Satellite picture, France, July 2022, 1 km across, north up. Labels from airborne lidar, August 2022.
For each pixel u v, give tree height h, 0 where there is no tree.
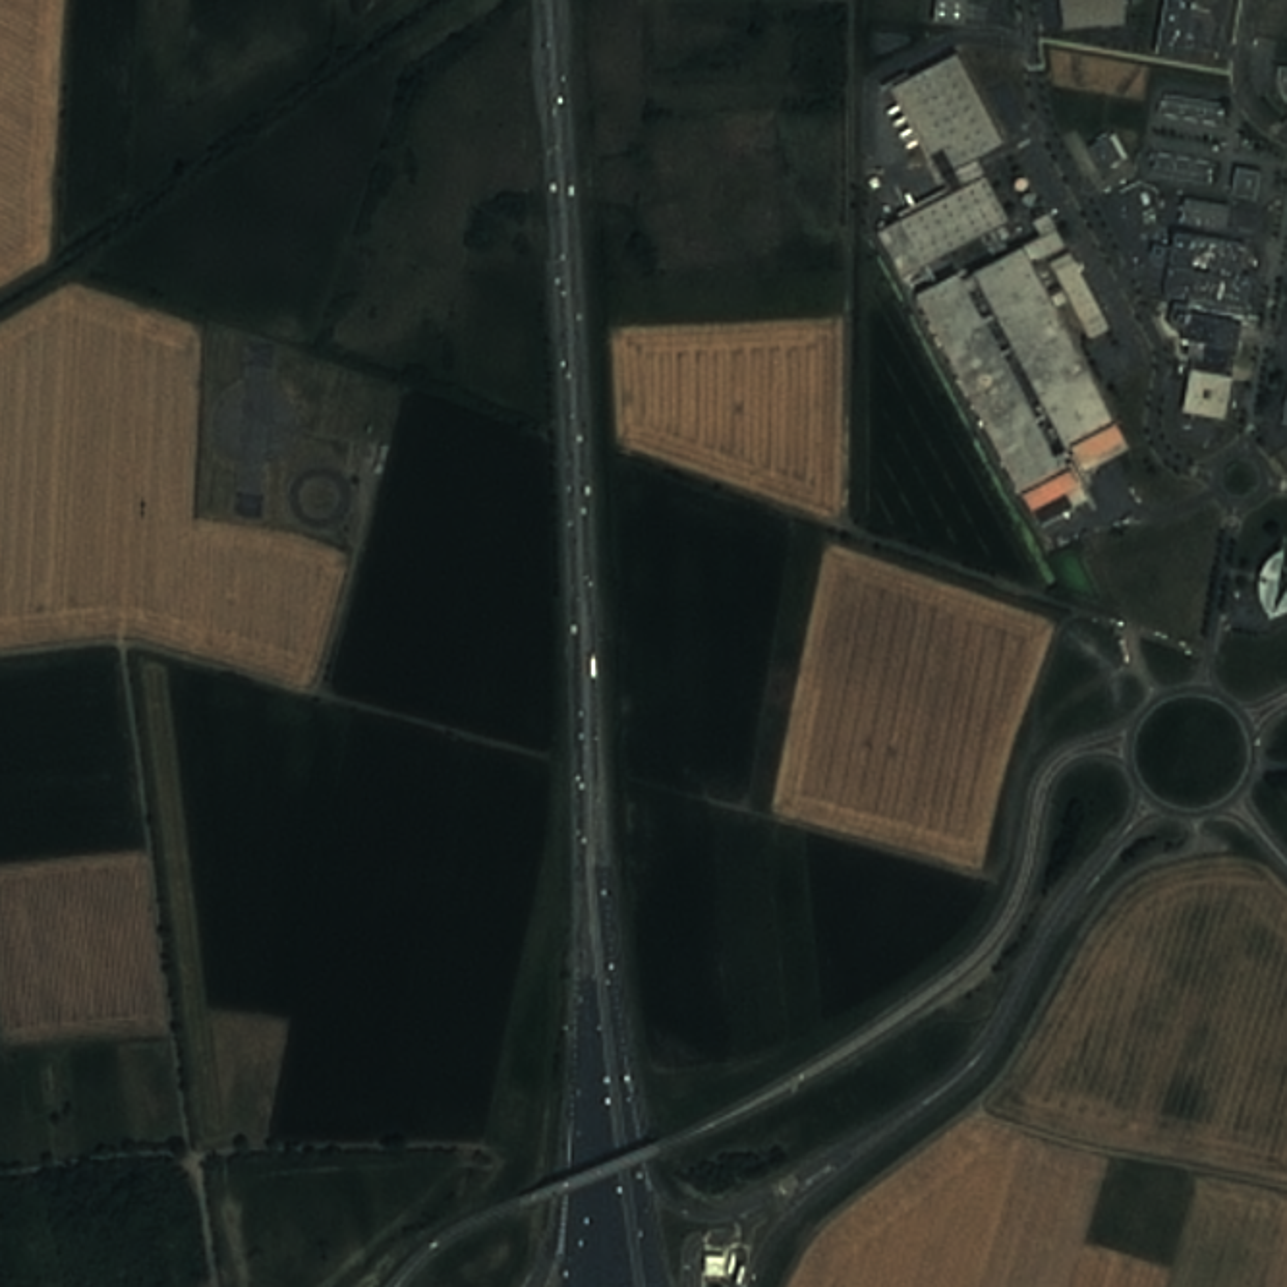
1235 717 0
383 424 0
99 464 0
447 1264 0
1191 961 0
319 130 0
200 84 0
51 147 0
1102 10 0
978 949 0
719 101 0
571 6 0
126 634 0
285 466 0
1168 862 0
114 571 0
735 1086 0
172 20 0
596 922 0
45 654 0
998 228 0
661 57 0
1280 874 0
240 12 0
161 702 0
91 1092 0
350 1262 0
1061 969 0
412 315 0
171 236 0
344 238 0
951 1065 0
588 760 0
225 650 0
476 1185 0
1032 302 0
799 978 0
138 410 0
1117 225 0
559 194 0
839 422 0
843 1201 0
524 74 0
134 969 0
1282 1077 0
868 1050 0
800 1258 0
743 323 0
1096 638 0
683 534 0
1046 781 0
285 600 0
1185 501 0
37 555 0
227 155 6
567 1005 0
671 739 0
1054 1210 0
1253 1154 0
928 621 0
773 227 0
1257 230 0
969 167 0
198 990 0
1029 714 0
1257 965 0
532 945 0
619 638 0
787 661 0
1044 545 0
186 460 0
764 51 0
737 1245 0
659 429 0
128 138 0
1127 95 0
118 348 0
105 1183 6
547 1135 0
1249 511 0
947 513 0
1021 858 0
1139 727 0
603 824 0
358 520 0
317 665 0
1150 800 0
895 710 0
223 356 0
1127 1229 0
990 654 0
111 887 0
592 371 0
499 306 0
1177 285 0
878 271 0
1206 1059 0
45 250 0
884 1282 0
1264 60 0
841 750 0
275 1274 0
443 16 0
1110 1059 0
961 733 0
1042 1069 0
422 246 0
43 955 0
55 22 0
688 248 0
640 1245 0
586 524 0
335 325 0
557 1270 0
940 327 0
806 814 0
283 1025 0
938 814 0
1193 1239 0
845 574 0
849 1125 0
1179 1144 0
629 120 0
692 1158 0
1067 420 0
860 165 0
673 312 0
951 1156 0
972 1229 0
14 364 0
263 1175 0
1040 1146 0
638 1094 0
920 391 0
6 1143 0
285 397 0
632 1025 0
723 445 0
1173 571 0
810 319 0
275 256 0
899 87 0
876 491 0
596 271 0
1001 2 0
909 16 0
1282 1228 0
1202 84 0
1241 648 0
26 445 0
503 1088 0
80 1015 0
